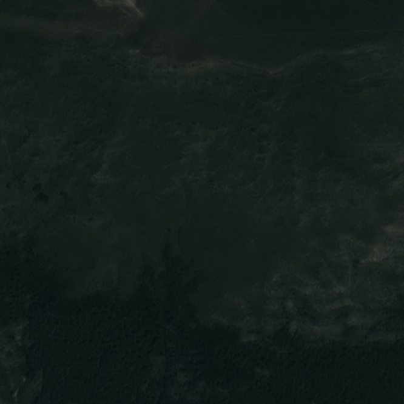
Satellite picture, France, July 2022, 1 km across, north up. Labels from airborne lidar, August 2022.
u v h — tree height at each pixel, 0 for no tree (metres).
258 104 0
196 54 0
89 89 0
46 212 0
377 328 8
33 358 14
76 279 0
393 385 17
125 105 0
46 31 0
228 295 0
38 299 6
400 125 0
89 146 0
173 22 0
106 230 0
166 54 0
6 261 7
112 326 11
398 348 14
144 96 0
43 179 0
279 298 7
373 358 7
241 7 0
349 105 0
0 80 0
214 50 0
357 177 0
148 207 0
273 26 0
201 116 0
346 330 9
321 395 12
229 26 0
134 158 0
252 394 18
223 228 0
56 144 0
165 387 14
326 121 0
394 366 13
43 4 0
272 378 10
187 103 0
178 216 0
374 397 17
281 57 0
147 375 13
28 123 0
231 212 0
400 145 0
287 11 0
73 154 0
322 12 0
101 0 0
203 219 0
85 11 0
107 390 14
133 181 0
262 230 0
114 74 0
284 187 0
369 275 0
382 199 0
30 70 0
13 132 0
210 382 7
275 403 18
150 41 0
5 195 0
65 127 0
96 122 0
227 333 6
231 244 0
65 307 6
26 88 0
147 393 11
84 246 0
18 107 0
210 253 0
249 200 0
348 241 0
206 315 0
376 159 0
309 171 0
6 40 0
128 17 0
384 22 0
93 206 0
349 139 0
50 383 15
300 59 0
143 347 11
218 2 0
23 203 0
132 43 0
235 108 0
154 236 0
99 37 0
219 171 0
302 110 0
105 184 0
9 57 0
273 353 13
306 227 0
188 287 7
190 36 0
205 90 0
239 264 0
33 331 11
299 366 13
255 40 0
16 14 0
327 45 0
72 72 0
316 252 0
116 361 17
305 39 0
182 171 0
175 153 0
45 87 0
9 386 6
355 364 18
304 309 6
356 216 0
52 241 0
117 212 0
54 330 7
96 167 0
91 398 21
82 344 19
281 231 0
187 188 0
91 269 0
